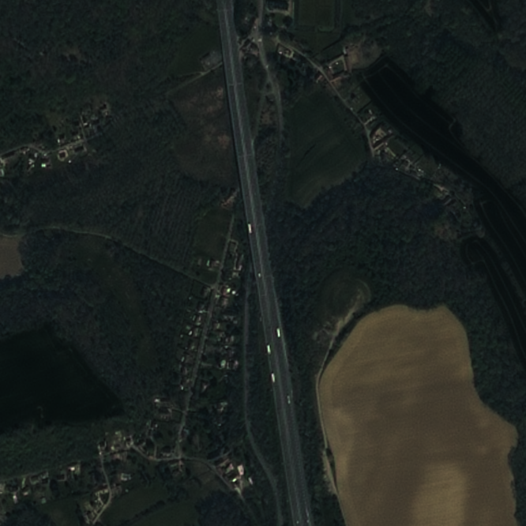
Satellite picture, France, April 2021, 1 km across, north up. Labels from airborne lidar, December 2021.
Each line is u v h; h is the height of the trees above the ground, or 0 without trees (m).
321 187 0
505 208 0
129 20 24
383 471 0
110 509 0
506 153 24
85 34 14
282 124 0
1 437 12
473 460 0
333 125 0
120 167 20
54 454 13
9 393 0
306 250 21
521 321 0
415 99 0
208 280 0
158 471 8
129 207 12
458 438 0
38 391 0
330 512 0
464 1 15
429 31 13
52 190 23
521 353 0
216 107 0
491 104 24
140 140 25
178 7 24
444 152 0
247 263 12
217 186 8
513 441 0
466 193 15
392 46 18
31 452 10
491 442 0
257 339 11
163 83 9
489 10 0
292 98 15
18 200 13
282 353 0
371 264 9
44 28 18
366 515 0
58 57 12
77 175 29
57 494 18
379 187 29
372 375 0
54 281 24
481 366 14
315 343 0
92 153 0
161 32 16
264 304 0
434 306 13
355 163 0
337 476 0
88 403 0
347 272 0
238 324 14
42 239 29
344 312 0
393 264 25
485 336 23
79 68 13
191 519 0
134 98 16
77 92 16
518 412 18
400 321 0
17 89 18
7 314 24
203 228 0
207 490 0
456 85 30
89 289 27
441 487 0
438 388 0
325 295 0
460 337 0
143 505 0
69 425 6
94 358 22
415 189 19
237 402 25
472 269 0
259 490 29
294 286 13
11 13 19
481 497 0
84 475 7
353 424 0
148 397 20
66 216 16
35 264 24
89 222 30
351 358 0
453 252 6
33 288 9
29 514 26
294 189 0
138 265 15
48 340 0
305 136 0
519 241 0
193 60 0
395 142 0
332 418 0
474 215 9
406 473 0
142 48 21
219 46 0
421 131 0
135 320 0
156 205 6
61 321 6
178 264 17
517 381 27
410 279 20
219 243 0
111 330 17
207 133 0
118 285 0
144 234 32
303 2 0
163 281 23
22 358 0
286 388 0
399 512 0
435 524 0
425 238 24
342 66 0
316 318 12
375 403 0
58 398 0
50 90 16
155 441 17
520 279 0
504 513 0
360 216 6
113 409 0
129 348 16
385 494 0
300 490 0
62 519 0
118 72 21
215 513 25
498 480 0
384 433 0
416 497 0
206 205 14
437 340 0
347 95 0
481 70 32
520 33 13
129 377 20
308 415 9
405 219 25
